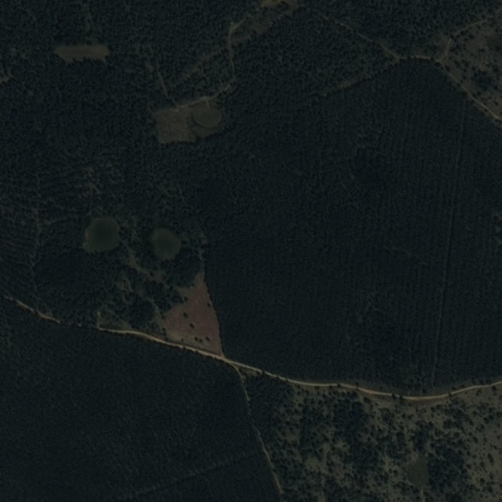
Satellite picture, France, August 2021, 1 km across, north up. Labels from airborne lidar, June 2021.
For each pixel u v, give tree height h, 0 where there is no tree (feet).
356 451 37
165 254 0
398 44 38
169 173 42
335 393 24
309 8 35
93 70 61
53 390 45
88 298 39
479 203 40
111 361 38
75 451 42
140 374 50
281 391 44
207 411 57
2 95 43
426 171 49
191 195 33
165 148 38
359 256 39
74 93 58
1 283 38
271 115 32
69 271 55
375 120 42
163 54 22
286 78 37
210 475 40
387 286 47
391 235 47
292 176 40
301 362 38
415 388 31
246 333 47
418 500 24
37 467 48
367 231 46
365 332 58
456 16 27
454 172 44
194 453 49
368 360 31
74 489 41
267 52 30
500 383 0
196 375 40
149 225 25
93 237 0
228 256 60
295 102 41
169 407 46
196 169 44
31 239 29
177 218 34
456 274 42
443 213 46
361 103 44
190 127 0
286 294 42
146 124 60
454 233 43
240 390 47
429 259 42
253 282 40
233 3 36
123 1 37
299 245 39
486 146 42
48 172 39
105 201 41
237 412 51
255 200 37
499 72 32
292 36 35
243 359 41
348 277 52
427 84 48
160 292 43
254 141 45
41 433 42
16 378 39
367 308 38
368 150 53
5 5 44
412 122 47
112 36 45
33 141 71
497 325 43
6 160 47
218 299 42
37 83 41
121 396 44
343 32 22
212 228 44
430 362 43
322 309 43
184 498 44
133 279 24
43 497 45
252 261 49
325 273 48
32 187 34
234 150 38
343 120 41
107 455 40
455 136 47
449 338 40
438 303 34
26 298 42
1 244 49
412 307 49
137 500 46
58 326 47
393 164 50
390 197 47
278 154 44
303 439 27
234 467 44
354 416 46
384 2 29
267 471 47
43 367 34
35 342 37
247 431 50
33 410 44
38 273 51
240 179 32
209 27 41
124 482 52
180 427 36
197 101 0
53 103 52
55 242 38
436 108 51
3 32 46
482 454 0
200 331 0
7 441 38
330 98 41
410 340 53
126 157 46
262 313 39
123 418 43
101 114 67
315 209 49
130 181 52
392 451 29
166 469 45
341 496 37
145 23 31
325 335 49
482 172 52
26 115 49
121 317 26
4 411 41
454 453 21
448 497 33
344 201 35
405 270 44
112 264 22
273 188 43
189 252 53
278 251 44
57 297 39
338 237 51
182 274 40
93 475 43
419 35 28
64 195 42
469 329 39
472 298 45
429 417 0
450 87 57
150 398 40
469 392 0
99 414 52
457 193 37
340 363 48
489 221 47
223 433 52
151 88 27
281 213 40
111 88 49
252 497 48
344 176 46
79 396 45
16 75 52
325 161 54
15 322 43
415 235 43
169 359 40
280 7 33
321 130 41
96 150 29
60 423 39
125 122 49
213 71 36
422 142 49
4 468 46
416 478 0
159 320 0
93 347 46
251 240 53
